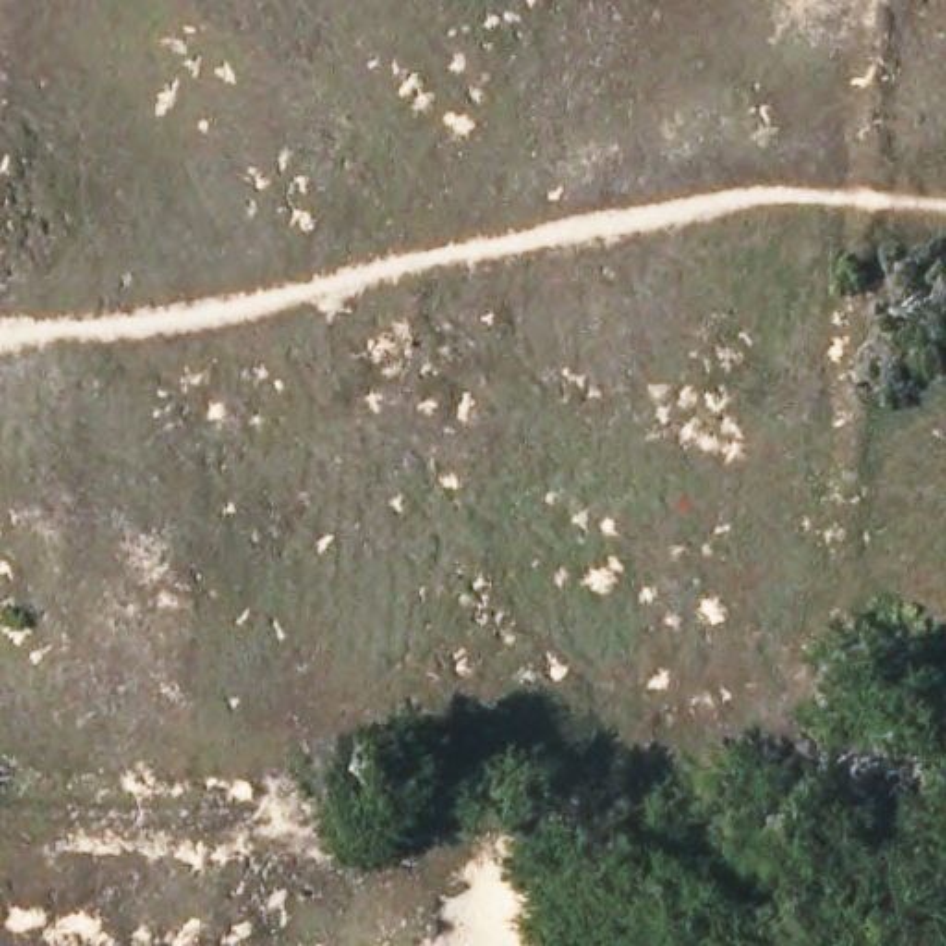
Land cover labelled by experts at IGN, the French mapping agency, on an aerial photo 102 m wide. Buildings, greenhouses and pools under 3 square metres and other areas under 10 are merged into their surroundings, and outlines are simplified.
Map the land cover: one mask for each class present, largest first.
<instances>
[{"label":"herbaceous vegetation","instance_id":"1","mask_svg":"<svg viewBox=\"0 0 946 946\"><path fill-rule=\"evenodd\" d=\"M883 67L876 70V81L868 89H857V48H843L831 55L824 48H813L806 63H791L783 70L780 85L765 67H754L746 74V52L739 48V37L750 26V15H739L732 0H0V318H107L200 299H233L285 285H307L314 277H329L347 266H366L388 255L525 233L554 222L547 214V192L554 188V174L558 163H565V152L610 140L625 126V100L643 96L647 103H658L665 85L698 92L702 85H732V115L754 103L772 111V137L769 144H758L750 152V159H728L724 152H713L717 177L732 188H872L894 196L946 200V0H887L879 15ZM181 26H196V41L188 44V52L192 59H200V74L177 85V100L166 115H155L159 92L174 81L181 67L177 52L163 48V37H170ZM392 63H403L425 85V111L399 96ZM909 244V251L924 255L939 244L942 262L946 270V214L758 203L702 222L625 233L617 240L595 237L584 244H551L499 259L429 266L421 273L377 281L347 296L336 314H325L314 303H296L273 314L211 329L122 340L63 336L48 344H22L0 351V946H55L44 942V935H37L33 928L11 931V909H41L55 920L85 913L100 920L115 946H137V928H148L152 935H174L185 920H200V935L188 946H425L440 939L429 924V909H443L447 898L469 891L466 865L473 857L466 846H432L418 857H403L395 868L358 872L329 854L325 861L296 857L292 843L277 835L255 843L240 861H214L200 868L177 857L148 861L140 854H63L44 865L41 854L44 843L81 835L70 824V809L129 813L133 794L122 787V776L133 772V765H148L159 783H188L192 791L207 787V776L251 783L288 776L318 813L321 806H329V765L336 754V739L347 728L381 724L388 717H440L447 713L455 695H469L480 706H495L499 698L521 687H551V695L576 717H599L617 735V743L665 746L669 761L676 754H695L698 765L713 769L728 758L724 739H743L750 728H761L769 735L794 739L802 728L794 721V706L828 702L820 684L831 669L820 661L809 669L806 661L831 621L854 628L857 613L872 610L883 621H905L909 632L946 625V373H939L928 384L920 406L894 410L887 388L894 366L868 362L865 377L857 381L861 418L846 429L831 425V310L846 296L839 292V277L854 266V259H876L883 251H894ZM395 321H410L414 351L399 377H384L370 358V340H377ZM650 384H680L695 392L728 395L732 418L743 429L739 458L691 447L680 436L650 443L647 429L658 421ZM15 506L44 510V517L59 528V540H41L33 528L15 525Z\"/></svg>","mask_w":946,"mask_h":946},{"label":"deciduous trees","instance_id":"2","mask_svg":"<svg viewBox=\"0 0 946 946\"><path fill-rule=\"evenodd\" d=\"M820 661L831 669L820 684L828 702L794 706V721L802 728L794 739L769 735L761 728H750L743 739H724L728 758L713 769L698 765L695 754H676L669 761L665 746L617 743V735L599 717H576L551 695V687H521L499 698L495 706H480L469 695H455L447 713L440 717H388L381 724L347 728L336 739V754L329 765V806H321L318 813V839L329 854L358 872L395 868L403 857H418L432 846H466L473 857L484 835H510L503 879L517 894H525V905L517 913V935L525 946H946V625L909 632L905 621H883L872 610L857 613L854 628L831 621L806 661L809 669Z\"/></svg>","mask_w":946,"mask_h":946},{"label":"bare soil","instance_id":"3","mask_svg":"<svg viewBox=\"0 0 946 946\"><path fill-rule=\"evenodd\" d=\"M887 0H732L739 15H750V26L739 37V48L746 52V74L754 67H765L780 85L783 70L791 63H806L813 48H824L831 55L843 48H857V89H868L876 81V70L883 67L879 15ZM196 41V26H181L170 37H163V48L177 52L181 67L174 81L159 92L155 115H166L177 100V85L200 74V59H192L188 52V44ZM399 96L425 111V85L403 63H392ZM772 137V111L754 103L732 115V85H702L698 92L665 85L658 103H647L643 96L625 100V126L610 140L565 152V163H558L554 174V188L547 192V214L554 222L599 211H628L691 196H713L732 188L717 177L713 152H724L728 159H750V152L758 144H769ZM883 285L865 296H846L831 310V425L846 429L861 418L857 381L865 377L868 362L894 366L891 333L879 329L876 307H887L891 318H905L913 314V307L946 299V270L942 262L928 270L931 288L913 296L905 288V270L894 259V251H883L876 259ZM414 351L410 321H395L377 340H370V358L384 377H399ZM658 421L647 429L650 443L680 436L691 447L739 458L743 429L732 418L728 395L695 392L680 384H650ZM15 525L33 528L41 540H59V528L44 517V510L15 506ZM122 787L133 794L129 813L70 809V824L81 835L44 843L41 854L44 865L63 854H140L148 861L177 857L200 868L214 861H240L255 843L277 835L292 843L296 857L325 861L329 854L318 839V813L288 776L251 783L207 776V787L192 791L188 783H159L148 765H133V772L122 776ZM510 835H484L473 857L466 865L469 891L447 898L443 909H429V924L440 939L425 946H525L517 935V913L525 905V894H517L503 879ZM11 931L33 928L37 935H44V942L55 946H115L100 920L85 913L55 920L41 909H11ZM200 935V920H185L174 935H152L148 928H137V946H188Z\"/></svg>","mask_w":946,"mask_h":946},{"label":"pervious surface","instance_id":"4","mask_svg":"<svg viewBox=\"0 0 946 946\"><path fill-rule=\"evenodd\" d=\"M758 203L946 214V200L894 196L872 188H732L713 196H691L628 211H599L554 222L525 233L388 255L366 266H347L329 277H314L307 285H285L233 299H200L107 318H0V351L22 344H48L63 336L122 340L211 329L273 314L296 303H314L325 314H336L347 296L377 281L421 273L429 266L499 259L551 244H584L595 237L617 240L625 233L702 222Z\"/></svg>","mask_w":946,"mask_h":946},{"label":"brushwood","instance_id":"5","mask_svg":"<svg viewBox=\"0 0 946 946\"><path fill-rule=\"evenodd\" d=\"M894 259L905 270V288L913 296L931 288L928 270L942 262L939 244L924 255L909 251V244L894 251ZM883 285L876 259H854V266L839 277V292L846 296H865ZM879 329L891 333L894 366L887 388L894 410L920 406L928 384L939 373H946V299L913 307V314L905 318H891L887 307H876Z\"/></svg>","mask_w":946,"mask_h":946}]
</instances>
